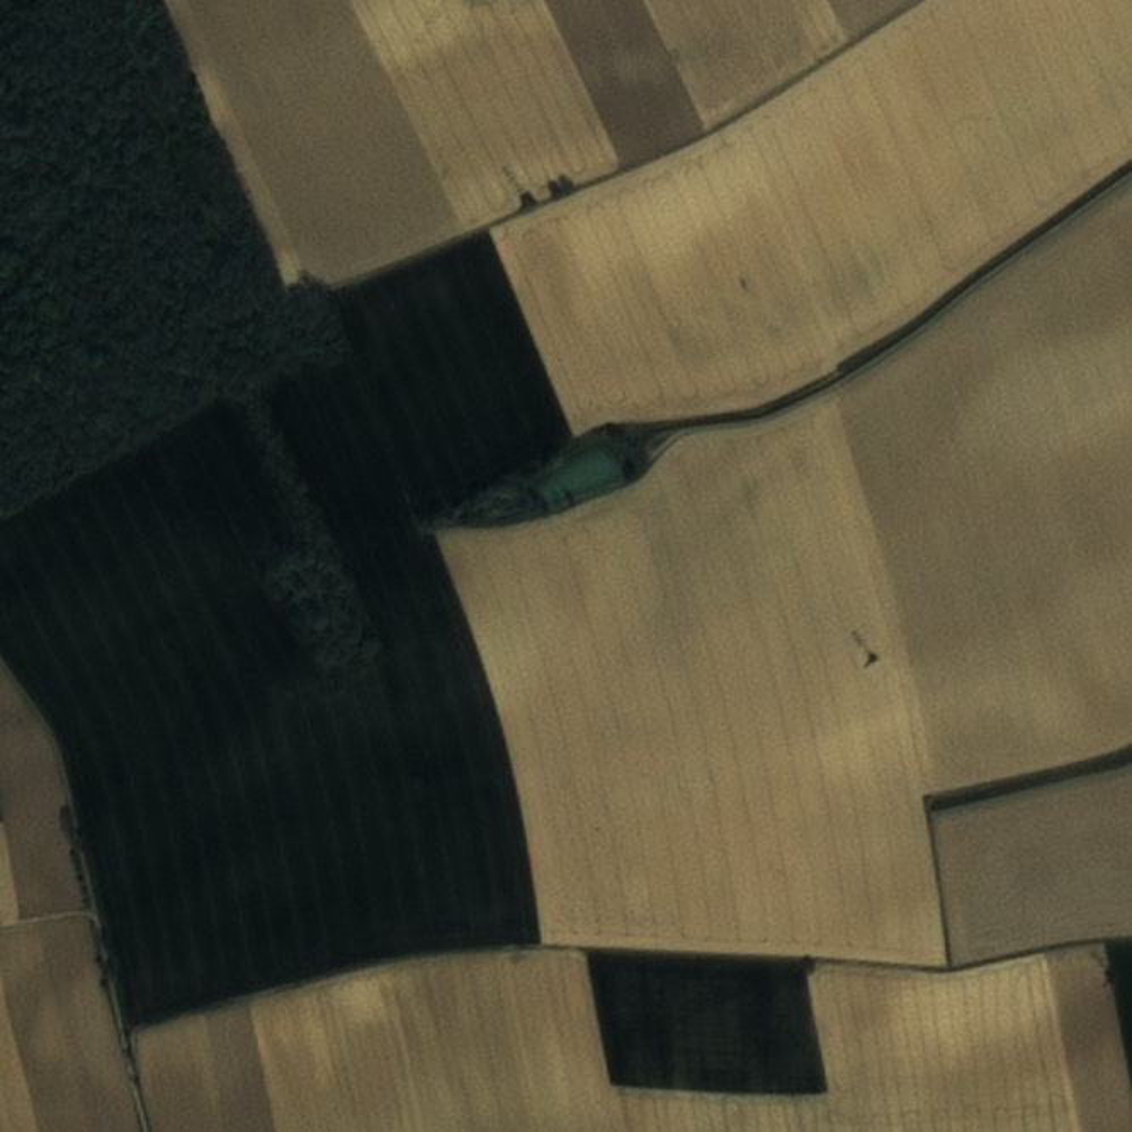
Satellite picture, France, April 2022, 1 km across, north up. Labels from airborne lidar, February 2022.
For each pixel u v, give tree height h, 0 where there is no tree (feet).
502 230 0
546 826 0
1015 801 0
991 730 0
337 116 0
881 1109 0
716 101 0
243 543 0
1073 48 0
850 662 0
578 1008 0
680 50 0
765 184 0
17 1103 0
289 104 0
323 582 101
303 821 0
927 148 0
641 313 0
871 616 0
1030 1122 0
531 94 0
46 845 0
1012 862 0
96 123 74
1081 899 0
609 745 0
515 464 0
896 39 0
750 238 0
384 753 0
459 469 0
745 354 0
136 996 0
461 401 0
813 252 0
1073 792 0
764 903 0
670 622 0
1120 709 0
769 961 0
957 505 0
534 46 0
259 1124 0
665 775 0
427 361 0
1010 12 0
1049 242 0
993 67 0
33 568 0
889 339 0
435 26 0
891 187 0
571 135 0
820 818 0
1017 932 0
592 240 0
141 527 0
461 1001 0
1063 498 0
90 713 0
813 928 0
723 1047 0
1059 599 0
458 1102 0
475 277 0
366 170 0
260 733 0
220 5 0
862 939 0
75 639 0
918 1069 0
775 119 0
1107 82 0
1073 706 0
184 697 0
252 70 0
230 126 0
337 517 0
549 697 0
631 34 0
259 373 85
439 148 0
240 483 0
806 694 0
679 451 0
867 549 0
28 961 0
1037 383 0
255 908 0
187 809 0
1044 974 0
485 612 0
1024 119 0
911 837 0
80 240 87
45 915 0
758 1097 0
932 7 0
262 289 94
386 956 0
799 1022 0
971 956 0
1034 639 0
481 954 0
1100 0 0
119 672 0
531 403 0
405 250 0
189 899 0
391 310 0
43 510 0
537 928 0
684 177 0
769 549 0
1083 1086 0
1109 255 0
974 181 0
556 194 35
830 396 0
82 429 84
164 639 0
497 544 0
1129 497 0
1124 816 0
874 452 0
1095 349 0
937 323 0
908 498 0
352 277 0
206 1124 0
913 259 0
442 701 0
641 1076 0
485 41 0
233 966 0
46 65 92
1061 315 0
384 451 0
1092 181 0
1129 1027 0
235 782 0
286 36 0
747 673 0
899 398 0
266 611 0
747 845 0
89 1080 0
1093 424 0
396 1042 0
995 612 0
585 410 0
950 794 0
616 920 0
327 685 0
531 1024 0
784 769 0
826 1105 0
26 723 0
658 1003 0
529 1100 0
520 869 0
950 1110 0
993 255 0
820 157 0
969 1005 0
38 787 0
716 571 0
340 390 0
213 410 0
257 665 0
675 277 0
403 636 0
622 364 0
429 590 0
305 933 0
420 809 0
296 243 0
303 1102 0
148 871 0
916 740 0
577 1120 0
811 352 0
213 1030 0
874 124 0
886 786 0
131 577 0
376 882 0
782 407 0
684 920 0
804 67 0
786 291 0
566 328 0
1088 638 0
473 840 0
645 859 0
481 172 0
